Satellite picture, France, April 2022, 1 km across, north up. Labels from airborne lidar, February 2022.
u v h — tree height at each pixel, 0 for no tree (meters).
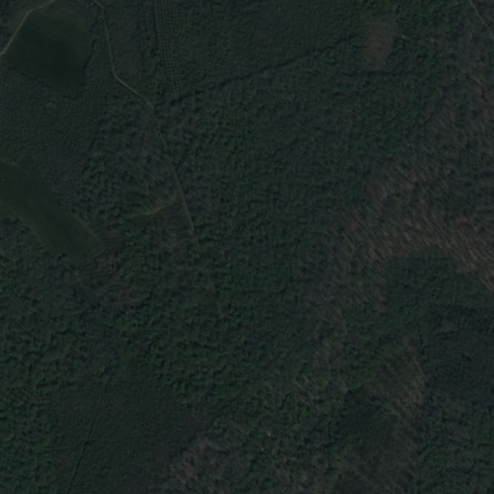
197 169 26
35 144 10
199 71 13
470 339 17
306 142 23
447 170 29
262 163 22
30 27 0
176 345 23
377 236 27
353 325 23
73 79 0
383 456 0
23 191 0
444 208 28
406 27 15
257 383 24
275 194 21
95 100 10
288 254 22
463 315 15
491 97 26
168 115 24
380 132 21
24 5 0
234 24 13
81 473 7
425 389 0
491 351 18
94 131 6
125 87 10
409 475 0
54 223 0
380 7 23
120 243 0
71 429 13
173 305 21
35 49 0
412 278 22
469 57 29
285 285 19
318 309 25
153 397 12
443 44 25
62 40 0
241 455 29
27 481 21
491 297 22
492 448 21
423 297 21
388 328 26
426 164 31
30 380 20
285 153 23
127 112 22
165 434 7
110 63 10
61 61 0
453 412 25
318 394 25
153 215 0
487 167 28
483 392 9
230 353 22
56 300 25
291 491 27
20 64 0
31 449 27
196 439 15
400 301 22
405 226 29
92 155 19
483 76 24
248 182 20
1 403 22
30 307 20
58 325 24
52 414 7
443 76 23
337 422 25
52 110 12
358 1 14
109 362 26
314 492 30
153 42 17
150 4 26
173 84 25
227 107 25
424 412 27
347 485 0
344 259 29
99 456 10
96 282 20
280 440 28
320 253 26
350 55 21
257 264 25
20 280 19
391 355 0
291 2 14
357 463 0
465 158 28
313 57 20
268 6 11
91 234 0
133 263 22
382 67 0
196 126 23
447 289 22
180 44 15
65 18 0
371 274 29
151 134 27
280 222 22
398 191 26
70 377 24
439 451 22
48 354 25
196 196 27
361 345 28
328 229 24
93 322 21
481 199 25
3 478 19
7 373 23
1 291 21
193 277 24
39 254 24
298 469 24
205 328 22
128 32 14
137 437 11
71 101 11
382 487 0
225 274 23
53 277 23
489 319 10
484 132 29
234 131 23
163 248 26
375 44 0
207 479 31
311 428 23
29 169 0
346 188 24
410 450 0
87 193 19
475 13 26
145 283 25
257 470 23
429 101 23
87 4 11
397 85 21
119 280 23
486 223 25
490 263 28
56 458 13
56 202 0
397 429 0
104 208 24
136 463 11
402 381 0
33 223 0
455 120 27
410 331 24
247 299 23
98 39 9
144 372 13
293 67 21
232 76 14
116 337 25
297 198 21
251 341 22
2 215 0
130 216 23
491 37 26
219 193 20
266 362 21
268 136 25
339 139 24
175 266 24
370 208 28
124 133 21
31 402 17
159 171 28
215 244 27
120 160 24
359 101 20
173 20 27
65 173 11
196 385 23
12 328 18
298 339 22
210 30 20
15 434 25
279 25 12
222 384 20
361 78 20
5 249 28
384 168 25
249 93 21
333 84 22
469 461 22
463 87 27
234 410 9
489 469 26
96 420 10
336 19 11
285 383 22
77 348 26
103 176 22
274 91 21
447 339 9
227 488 26
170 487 24
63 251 0
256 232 22
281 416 21
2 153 7
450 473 23
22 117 10
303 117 25
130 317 20
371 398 0
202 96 20
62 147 11
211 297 22
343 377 27
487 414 19
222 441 27
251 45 8
